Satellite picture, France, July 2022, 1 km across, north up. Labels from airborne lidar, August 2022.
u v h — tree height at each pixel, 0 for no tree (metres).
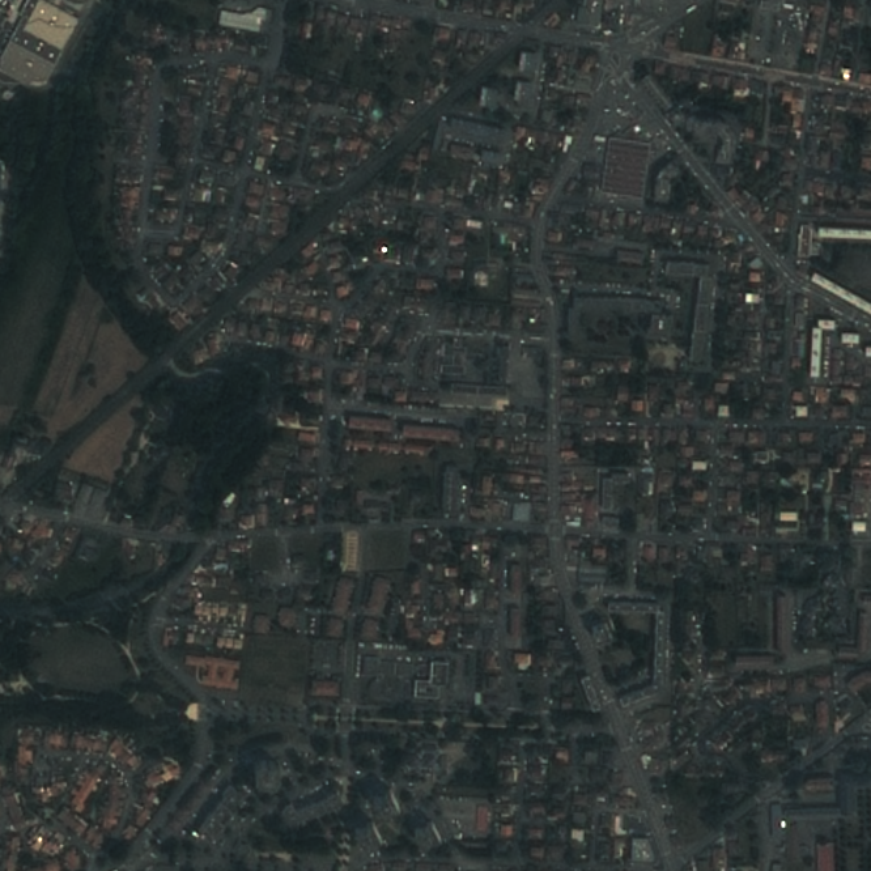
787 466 16
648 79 0
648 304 0
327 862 0
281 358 16
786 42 0
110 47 11
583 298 0
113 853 23
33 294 0
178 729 7
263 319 12
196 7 0
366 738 14
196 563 0
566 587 0
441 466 0
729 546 11
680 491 10
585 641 0
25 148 24
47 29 0
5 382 0
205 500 22
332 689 0
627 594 0
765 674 6
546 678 0
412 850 8
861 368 0
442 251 0
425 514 9
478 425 21
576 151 0
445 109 0
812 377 0
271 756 0
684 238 8
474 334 0
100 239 19
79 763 0
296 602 8
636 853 0
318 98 9
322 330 7
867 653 0
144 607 9
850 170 18
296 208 10
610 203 0
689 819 0
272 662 0
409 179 10
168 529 0
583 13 0
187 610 8
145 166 0
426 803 9
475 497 7
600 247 0
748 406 9
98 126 18
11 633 9
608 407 0
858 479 0
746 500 8
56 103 19
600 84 0
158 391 11
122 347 0
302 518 10
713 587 6
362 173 0
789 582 8
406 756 18
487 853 8
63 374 0
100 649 0
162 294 0
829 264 7
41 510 0
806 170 0
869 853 7
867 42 10
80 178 22
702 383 15
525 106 0
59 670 0
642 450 0
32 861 6
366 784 9
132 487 0
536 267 0
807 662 0
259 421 19
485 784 15
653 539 0
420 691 0
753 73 0
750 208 0
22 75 0
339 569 12
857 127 15
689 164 0
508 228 0
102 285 8
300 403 14
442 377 8
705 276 0
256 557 0
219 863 0
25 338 0
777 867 0
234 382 18
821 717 0
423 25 15
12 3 0
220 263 0
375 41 12
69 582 0
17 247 19
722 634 0
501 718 7
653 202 8
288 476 8
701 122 0
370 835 0
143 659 11
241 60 0
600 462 8
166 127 14
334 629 0
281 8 0
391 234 6
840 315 0
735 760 0
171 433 11
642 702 0
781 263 0
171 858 7
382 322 0
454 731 14
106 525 0
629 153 0
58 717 11
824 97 0
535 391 0
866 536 0
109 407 0
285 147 0
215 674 0
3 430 0
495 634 0
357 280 15
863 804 9
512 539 15
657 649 0
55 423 0
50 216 0
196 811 0
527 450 6
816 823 0
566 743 9
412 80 14
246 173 0
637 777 0
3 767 0
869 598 0
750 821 7
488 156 0
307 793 0
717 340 18
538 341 0
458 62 9
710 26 9
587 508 0
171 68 10
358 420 0
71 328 0
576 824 8
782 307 6
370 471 0
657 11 0
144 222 0
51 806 6
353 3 0
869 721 0
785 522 0
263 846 17
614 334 6
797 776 17
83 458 0
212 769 8
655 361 0
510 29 0
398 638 8
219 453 17
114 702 14
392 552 0
